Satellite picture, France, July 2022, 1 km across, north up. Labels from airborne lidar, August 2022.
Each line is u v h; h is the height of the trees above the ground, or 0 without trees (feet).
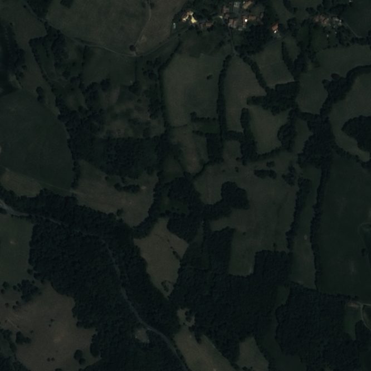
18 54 54
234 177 0
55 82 0
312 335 55
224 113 49
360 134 60
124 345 51
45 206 58
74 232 78
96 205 0
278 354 0
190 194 52
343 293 0
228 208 74
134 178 44
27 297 37
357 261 0
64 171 0
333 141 42
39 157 0
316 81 0
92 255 74
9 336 39
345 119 0
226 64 35
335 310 69
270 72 0
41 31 0
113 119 0
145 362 54
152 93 20
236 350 74
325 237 0
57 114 0
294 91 47
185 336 0
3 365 22
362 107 0
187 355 0
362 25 0
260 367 0
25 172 0
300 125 0
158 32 0
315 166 58
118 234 36
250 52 53
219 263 66
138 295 66
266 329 52
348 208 0
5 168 0
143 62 0
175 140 0
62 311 0
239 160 40
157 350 53
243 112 34
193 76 0
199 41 0
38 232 65
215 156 44
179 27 0
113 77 0
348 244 0
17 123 0
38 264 74
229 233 65
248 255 0
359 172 0
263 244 0
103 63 0
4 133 0
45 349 0
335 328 64
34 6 52
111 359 29
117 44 0
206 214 61
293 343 59
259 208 0
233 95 0
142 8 0
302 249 0
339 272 0
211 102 0
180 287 59
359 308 0
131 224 0
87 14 0
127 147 45
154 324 64
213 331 20
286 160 0
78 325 45
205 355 0
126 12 0
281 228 0
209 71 0
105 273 70
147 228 70
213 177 0
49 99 0
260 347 42
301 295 76
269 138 0
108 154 23
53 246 78
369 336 57
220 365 0
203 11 38
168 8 0
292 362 0
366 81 0
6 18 0
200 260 31
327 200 0
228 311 50
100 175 0
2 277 0
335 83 49
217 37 0
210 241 43
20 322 0
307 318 52
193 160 0
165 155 45
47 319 0
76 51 0
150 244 0
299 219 31
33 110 0
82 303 54
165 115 39
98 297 57
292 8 87
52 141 0
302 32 0
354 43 60
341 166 0
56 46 49
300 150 0
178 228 65
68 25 0
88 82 0
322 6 51
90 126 51
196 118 19
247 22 24
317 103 0
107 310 62
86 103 29
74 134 54
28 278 0
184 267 66
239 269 0
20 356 0
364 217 0
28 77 0
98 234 93
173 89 0
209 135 30
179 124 0
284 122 0
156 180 0
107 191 0
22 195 0
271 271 72
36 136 0
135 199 0
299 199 50
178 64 0
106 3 0
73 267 66
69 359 0
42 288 0
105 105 0
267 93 33
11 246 0
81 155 56
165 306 53
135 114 0
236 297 52
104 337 55
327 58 0
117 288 54
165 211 0
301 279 0
